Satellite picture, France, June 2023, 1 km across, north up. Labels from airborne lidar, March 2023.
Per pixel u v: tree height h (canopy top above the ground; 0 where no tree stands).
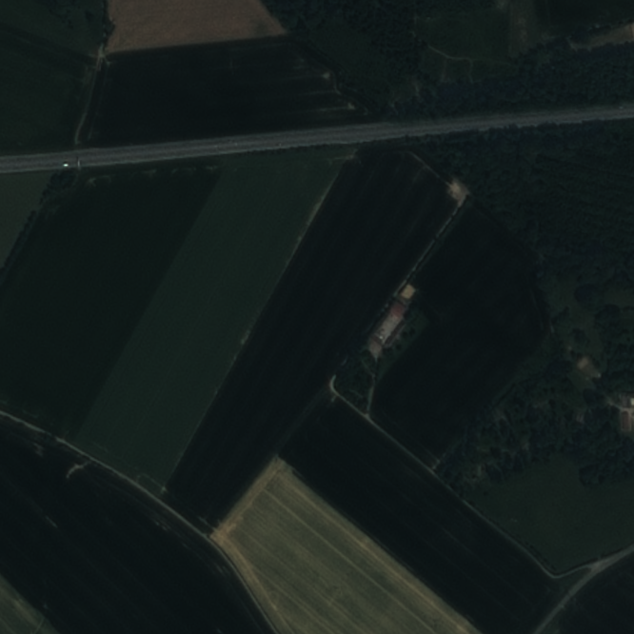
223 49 0
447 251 0
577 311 0
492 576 0
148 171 0
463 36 0
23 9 0
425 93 8
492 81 0
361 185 0
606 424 30
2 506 0
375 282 0
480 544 0
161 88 0
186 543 0
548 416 16
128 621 0
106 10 8
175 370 0
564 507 0
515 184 25
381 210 0
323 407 0
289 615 0
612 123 6
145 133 0
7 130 0
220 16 0
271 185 0
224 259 0
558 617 0
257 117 0
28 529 0
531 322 0
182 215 0
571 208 9
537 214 8
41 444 0
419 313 10
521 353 0
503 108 10
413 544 0
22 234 10
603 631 0
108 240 0
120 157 0
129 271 0
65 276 0
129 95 0
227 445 0
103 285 0
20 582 0
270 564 0
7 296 0
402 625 0
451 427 0
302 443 0
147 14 0
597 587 0
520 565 0
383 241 0
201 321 0
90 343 0
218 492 0
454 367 0
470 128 0
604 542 0
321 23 8
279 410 0
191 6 0
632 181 7
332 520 0
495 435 29
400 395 0
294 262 0
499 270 0
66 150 0
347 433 0
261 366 0
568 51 18
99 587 0
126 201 0
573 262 27
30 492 0
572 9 0
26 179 0
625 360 20
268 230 0
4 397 0
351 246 0
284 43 0
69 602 0
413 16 12
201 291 0
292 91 0
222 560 0
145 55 0
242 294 0
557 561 0
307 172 0
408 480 0
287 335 0
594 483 27
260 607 0
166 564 0
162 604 0
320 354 0
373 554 0
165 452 0
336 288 0
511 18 0
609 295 0
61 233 0
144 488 0
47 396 0
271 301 0
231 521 0
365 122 0
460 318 0
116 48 0
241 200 0
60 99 0
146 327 0
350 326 0
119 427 0
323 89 0
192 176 0
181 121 0
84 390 0
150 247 0
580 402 0
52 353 0
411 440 0
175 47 0
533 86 19
